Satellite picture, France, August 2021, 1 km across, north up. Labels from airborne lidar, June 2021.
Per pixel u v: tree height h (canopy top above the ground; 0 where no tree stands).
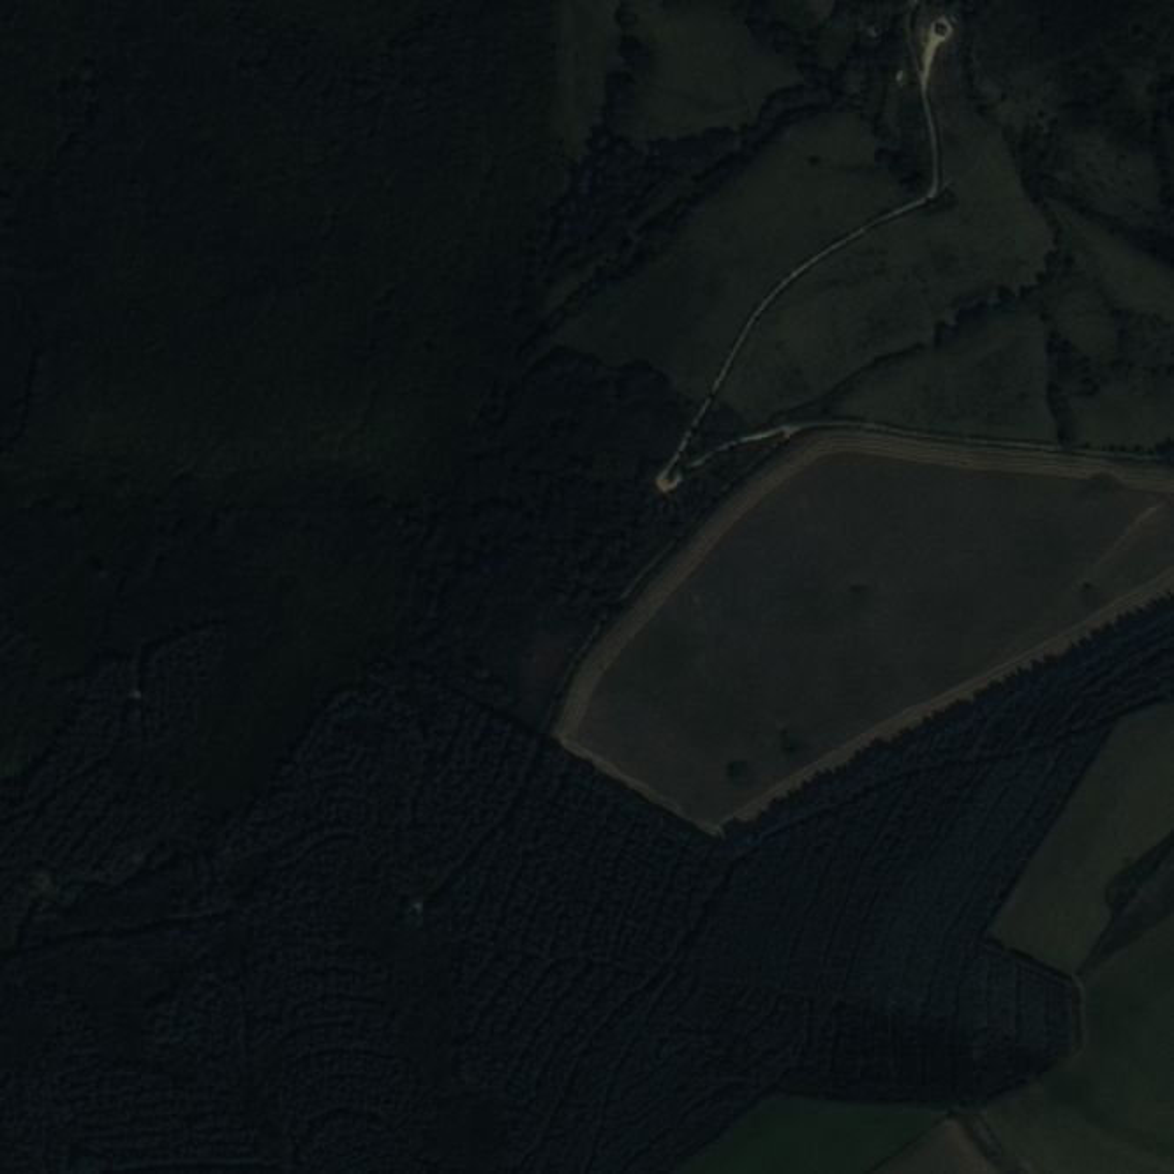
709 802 0
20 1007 25
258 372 21
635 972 21
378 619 26
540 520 9
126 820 33
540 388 19
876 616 0
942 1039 11
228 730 16
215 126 25
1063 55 7
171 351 23
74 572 10
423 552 24
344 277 21
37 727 11
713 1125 16
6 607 13
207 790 19
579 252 19
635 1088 15
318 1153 27
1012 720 19
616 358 0
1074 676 18
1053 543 0
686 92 0
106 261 22
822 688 0
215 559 16
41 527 17
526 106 26
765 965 19
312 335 25
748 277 0
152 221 22
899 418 0
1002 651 0
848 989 16
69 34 25
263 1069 19
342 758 25
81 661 8
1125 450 6
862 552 0
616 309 0
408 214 26
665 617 0
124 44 26
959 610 0
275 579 11
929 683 0
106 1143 24
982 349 0
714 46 0
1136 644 17
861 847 17
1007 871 14
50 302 25
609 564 8
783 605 0
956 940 16
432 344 20
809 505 0
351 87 23
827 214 0
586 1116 17
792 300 0
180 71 23
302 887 26
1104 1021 0
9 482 14
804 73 13
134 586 19
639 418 0
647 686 0
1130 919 0
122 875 20
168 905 20
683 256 0
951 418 0
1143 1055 0
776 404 0
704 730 0
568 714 0
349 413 17
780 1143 0
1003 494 0
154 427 17
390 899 33
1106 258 0
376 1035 24
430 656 17
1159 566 0
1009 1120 0
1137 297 0
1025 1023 15
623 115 13
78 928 19
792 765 0
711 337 0
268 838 31
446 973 21
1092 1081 0
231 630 16
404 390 20
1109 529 0
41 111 30
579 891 27
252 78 27
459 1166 20
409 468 19
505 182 21
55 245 22
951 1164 0
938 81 0
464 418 26
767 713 0
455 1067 20
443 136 21
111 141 27
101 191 25
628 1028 15
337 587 20
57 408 19
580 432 18
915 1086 11
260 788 22
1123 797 0
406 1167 23
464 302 26
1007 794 17
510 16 24
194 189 17
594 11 0
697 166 15
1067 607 0
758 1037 15
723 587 0
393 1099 23
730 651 0
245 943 25
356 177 23
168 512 16
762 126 7
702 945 20
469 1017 24
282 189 21
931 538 0
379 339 25
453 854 28
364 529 28
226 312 23
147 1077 25
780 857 18
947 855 18
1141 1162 0
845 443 0
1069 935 0
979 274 0
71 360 21
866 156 0
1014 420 0
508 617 0
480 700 17
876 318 0
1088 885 0
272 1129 25
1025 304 7
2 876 28
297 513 24
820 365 0
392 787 31
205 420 18
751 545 0
